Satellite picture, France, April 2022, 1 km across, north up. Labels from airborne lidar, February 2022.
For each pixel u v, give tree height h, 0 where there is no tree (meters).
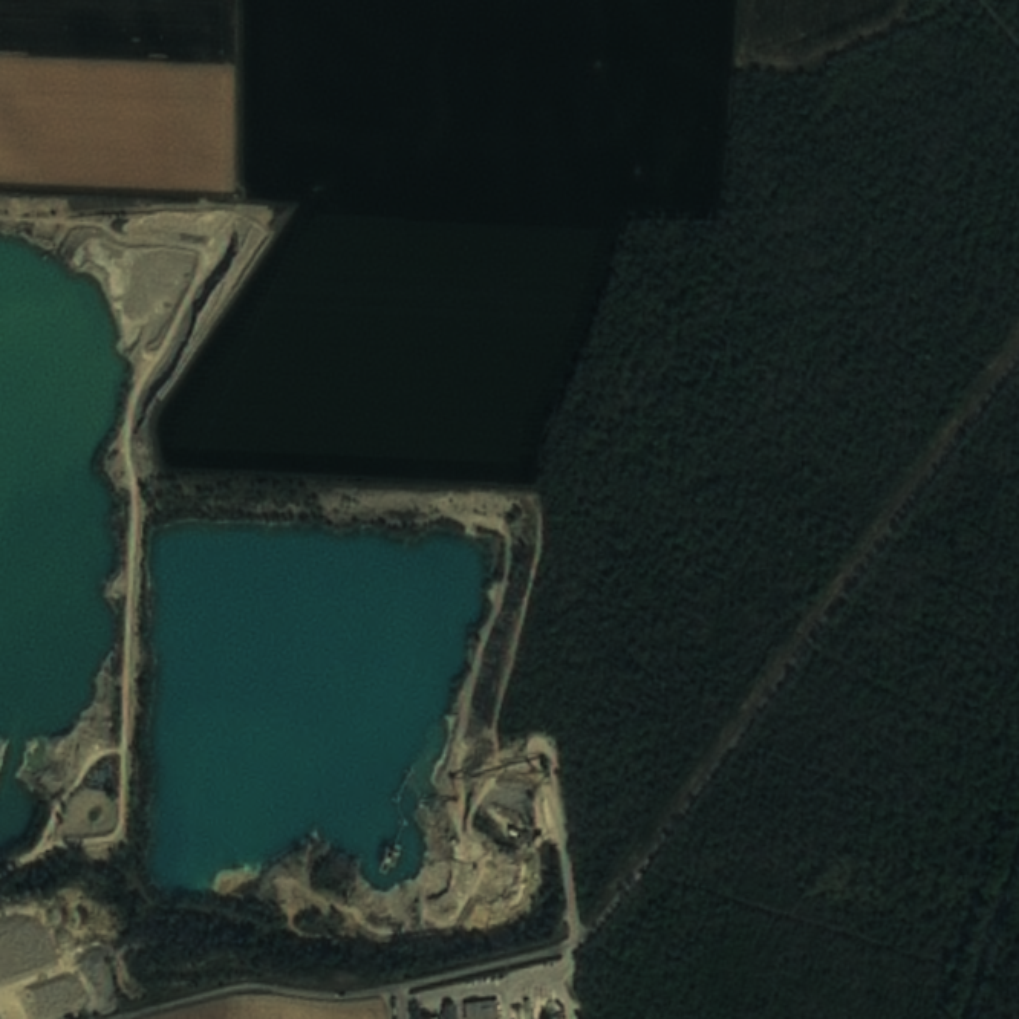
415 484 0
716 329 11
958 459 12
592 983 10
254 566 0
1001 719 16
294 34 0
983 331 12
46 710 0
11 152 0
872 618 15
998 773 16
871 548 0
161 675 0
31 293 0
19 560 0
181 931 14
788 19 0
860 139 12
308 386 0
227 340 0
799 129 13
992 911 18
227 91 0
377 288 0
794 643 0
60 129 0
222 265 0
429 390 0
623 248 9
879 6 0
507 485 0
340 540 0
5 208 0
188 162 0
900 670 15
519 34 0
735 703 6
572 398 12
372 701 0
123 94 0
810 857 14
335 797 0
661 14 0
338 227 0
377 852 0
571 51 0
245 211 0
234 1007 0
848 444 11
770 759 8
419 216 0
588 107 0
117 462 0
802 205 18
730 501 10
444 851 0
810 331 11
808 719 10
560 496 8
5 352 0
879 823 12
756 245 15
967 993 17
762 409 12
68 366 0
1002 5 13
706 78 0
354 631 0
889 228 15
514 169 0
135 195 0
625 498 10
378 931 0
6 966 0
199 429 0
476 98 0
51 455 0
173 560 0
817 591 12
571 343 0
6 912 0
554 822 0
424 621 0
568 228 0
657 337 15
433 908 0
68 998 0
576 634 14
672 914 12
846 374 13
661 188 0
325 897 0
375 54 0
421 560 0
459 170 0
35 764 0
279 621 0
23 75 0
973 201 14
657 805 8
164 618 0
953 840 18
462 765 0
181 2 0
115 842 0
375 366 0
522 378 0
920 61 9
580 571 7
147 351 0
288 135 0
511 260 0
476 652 0
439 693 0
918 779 12
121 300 0
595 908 0
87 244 0
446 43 0
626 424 15
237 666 0
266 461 0
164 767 0
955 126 17
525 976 0
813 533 14
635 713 9
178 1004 0
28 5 0
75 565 0
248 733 0
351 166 0
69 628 0
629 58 0
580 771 13
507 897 0
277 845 0
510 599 0
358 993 0
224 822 0
